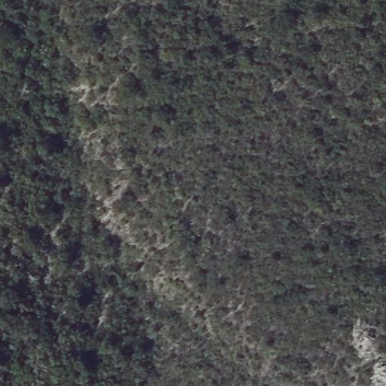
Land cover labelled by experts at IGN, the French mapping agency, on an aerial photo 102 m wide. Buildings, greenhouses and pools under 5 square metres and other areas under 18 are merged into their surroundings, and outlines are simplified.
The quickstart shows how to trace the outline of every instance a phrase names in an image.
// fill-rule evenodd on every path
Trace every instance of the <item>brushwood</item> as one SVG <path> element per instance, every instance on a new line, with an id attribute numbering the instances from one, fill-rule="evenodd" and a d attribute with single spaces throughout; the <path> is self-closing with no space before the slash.
<path id="1" fill-rule="evenodd" d="M 356 320 L 375 324 L 375 329 L 369 329 L 368 338 L 381 354 L 369 362 L 359 357 L 353 345 L 353 326 Z M 375 363 L 380 363 L 386 368 L 386 0 L 0 0 L 0 386 L 374 386 L 372 372 Z"/>

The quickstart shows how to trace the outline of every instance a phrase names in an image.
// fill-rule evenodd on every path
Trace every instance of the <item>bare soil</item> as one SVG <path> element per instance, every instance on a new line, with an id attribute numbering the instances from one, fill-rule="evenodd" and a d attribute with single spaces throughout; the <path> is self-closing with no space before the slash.
<path id="1" fill-rule="evenodd" d="M 368 338 L 369 329 L 375 329 L 375 324 L 356 320 L 353 326 L 353 345 L 359 357 L 369 362 L 381 354 Z"/>
<path id="2" fill-rule="evenodd" d="M 386 368 L 380 363 L 375 363 L 372 372 L 374 386 L 386 386 Z"/>

